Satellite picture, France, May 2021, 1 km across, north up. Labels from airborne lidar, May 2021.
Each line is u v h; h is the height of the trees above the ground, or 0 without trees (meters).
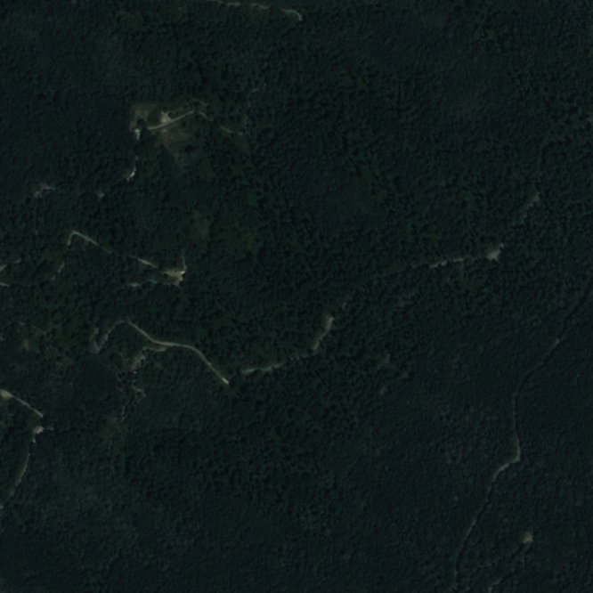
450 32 11
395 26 13
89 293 16
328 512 10
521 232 17
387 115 18
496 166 16
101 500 8
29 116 17
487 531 15
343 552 13
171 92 10
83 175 16
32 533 17
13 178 13
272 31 19
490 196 8
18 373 11
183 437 15
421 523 14
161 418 8
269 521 7
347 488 13
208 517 16
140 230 7
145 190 12
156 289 17
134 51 12
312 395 15
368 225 21
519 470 12
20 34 10
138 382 8
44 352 8
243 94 15
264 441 13
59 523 7
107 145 25
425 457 12
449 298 22
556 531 17
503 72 13
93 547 16
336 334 21
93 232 15
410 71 17
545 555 15
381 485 13
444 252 21
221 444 17
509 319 16
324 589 15
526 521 14
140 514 11
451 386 11
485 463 9
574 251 17
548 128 17
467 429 11
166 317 10
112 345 17
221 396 13
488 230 12
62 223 13
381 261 18
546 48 13
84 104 18
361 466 11
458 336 17
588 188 14
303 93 19
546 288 20
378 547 14
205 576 17
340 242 19
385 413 13
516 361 12
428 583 19
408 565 17
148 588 18
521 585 17
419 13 9
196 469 12
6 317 10
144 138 13
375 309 11
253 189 18
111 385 16
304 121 22
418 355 17
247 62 17
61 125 16
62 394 5
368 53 10
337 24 15
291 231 18
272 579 14
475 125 10
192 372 7
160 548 14
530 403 12
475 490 12
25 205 12
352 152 10
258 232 13
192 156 11
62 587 16
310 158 16
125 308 13
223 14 19
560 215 17
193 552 15
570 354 14
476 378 15
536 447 13
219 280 16
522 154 21
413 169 18
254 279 16
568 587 18
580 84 13
